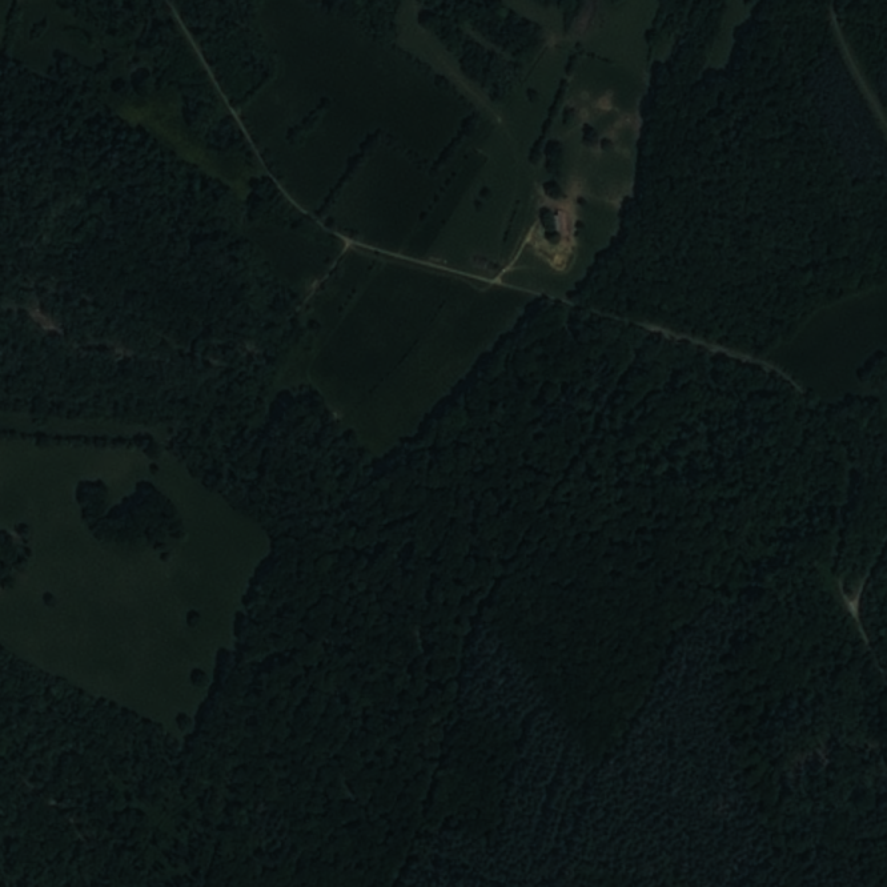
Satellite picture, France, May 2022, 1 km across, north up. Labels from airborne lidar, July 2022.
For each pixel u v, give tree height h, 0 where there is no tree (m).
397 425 0
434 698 26
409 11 0
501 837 33
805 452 23
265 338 24
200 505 0
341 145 0
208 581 0
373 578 32
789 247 17
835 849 26
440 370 0
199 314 22
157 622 0
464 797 27
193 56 10
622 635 30
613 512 31
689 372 28
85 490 17
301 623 29
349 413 0
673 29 6
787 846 28
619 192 0
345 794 25
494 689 35
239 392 22
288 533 27
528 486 28
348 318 0
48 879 16
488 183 0
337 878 29
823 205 19
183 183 11
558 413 23
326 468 30
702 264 19
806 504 17
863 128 12
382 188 0
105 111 7
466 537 27
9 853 18
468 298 0
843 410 17
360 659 28
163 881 20
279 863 25
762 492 25
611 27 0
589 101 0
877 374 17
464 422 24
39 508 0
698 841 34
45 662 0
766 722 29
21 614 0
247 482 15
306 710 29
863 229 20
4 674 15
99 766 18
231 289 24
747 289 18
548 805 30
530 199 0
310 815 23
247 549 0
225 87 13
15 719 11
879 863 24
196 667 0
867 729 20
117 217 26
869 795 28
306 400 16
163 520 23
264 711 28
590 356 22
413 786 24
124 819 22
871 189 17
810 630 19
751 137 20
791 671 20
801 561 20
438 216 0
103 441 12
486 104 0
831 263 21
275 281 15
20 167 23
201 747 22
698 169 16
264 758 27
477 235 0
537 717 32
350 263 0
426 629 27
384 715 27
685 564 27
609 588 27
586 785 31
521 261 0
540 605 26
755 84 24
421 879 29
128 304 21
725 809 31
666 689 31
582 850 36
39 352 19
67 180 24
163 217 20
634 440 27
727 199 16
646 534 26
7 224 14
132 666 0
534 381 25
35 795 21
